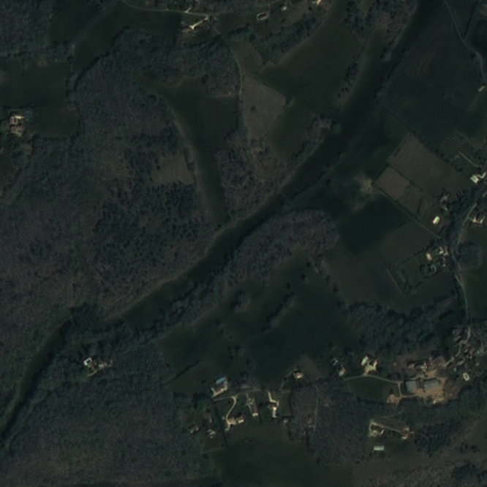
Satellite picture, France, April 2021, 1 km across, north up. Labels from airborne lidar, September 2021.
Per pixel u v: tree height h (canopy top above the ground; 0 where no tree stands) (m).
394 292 0
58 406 22
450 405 16
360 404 22
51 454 15
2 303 15
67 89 11
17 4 20
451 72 0
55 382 19
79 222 21
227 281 14
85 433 19
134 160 17
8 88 0
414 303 0
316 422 16
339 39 0
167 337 11
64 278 25
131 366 14
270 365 0
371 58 0
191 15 0
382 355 23
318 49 0
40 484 18
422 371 11
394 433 6
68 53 19
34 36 21
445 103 0
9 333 14
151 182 10
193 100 0
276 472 0
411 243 0
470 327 11
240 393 9
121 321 0
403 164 0
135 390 16
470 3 0
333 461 18
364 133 0
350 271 0
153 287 15
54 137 0
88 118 15
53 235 22
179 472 21
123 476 17
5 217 22
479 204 10
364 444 22
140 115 19
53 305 21
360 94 0
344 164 0
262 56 7
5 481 16
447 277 0
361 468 0
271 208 0
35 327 21
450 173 0
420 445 11
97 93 21
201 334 0
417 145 0
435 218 0
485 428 0
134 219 11
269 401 0
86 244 16
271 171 7
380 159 0
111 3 0
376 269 0
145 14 0
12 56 15
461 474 17
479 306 0
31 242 20
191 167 14
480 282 0
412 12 16
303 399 13
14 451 20
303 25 7
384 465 0
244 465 0
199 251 14
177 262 16
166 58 20
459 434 9
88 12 0
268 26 15
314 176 0
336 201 0
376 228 0
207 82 18
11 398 20
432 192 0
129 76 25
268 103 0
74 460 21
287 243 12
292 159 7
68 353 0
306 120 0
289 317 0
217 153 16
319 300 0
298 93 0
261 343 0
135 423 18
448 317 9
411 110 0
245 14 18
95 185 13
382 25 8
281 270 0
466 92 0
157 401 24
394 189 0
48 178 21
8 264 17
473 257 22
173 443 15
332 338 0
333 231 15
